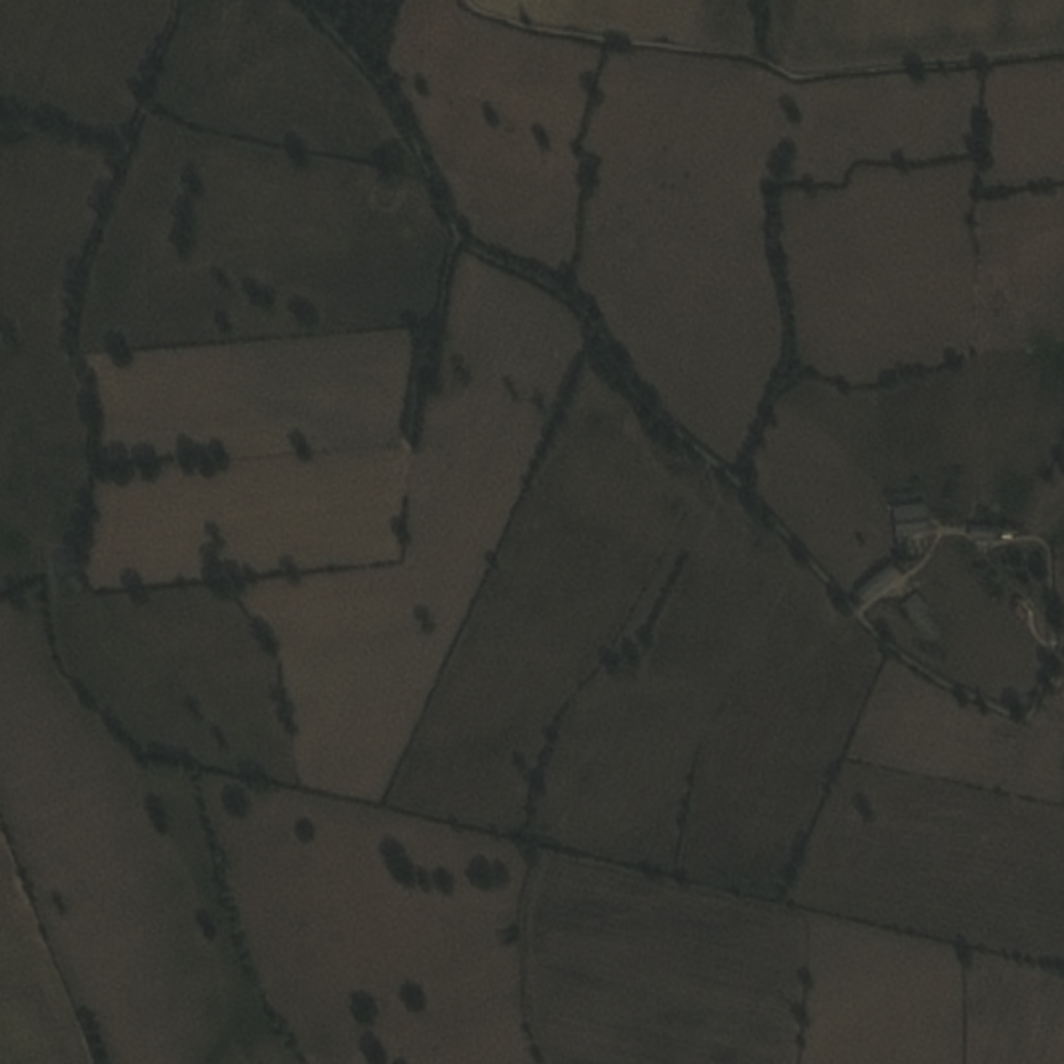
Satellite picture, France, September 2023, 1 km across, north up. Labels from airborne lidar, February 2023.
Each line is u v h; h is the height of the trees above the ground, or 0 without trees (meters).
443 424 0
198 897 0
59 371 0
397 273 0
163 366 0
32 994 0
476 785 0
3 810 0
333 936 0
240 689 0
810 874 0
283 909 0
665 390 0
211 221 0
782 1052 0
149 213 0
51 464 0
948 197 0
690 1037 0
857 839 0
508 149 0
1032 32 0
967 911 0
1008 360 0
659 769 0
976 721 0
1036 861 0
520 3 0
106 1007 0
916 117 0
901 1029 0
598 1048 0
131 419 0
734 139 0
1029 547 0
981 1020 0
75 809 0
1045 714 0
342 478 0
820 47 0
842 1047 0
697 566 0
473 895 0
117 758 0
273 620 0
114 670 0
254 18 0
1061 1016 0
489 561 12
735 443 0
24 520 0
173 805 0
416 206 0
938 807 0
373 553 0
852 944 0
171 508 0
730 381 0
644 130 0
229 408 0
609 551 0
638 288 0
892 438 0
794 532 0
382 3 11
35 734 0
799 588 0
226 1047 0
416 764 0
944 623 0
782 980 0
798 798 0
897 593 0
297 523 0
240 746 0
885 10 0
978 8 0
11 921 0
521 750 0
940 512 0
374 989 0
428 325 11
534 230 0
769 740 0
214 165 0
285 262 0
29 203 0
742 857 0
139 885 0
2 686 0
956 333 0
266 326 0
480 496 0
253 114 0
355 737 0
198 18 0
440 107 0
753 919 0
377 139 0
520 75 0
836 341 0
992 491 0
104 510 0
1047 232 0
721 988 0
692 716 0
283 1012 0
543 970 0
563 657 0
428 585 0
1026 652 0
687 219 0
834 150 0
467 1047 0
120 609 0
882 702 0
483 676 0
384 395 0
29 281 0
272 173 0
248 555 0
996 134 0
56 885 0
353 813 0
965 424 0
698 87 0
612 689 0
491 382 0
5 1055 0
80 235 0
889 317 0
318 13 11
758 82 0
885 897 0
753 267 0
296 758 0
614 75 0
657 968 0
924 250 0
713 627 0
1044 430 0
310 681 0
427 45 0
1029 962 8
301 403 0
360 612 0
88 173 0
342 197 0
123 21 0
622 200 0
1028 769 0
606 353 13
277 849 0
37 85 0
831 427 0
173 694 0
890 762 0
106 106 0
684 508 0
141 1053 0
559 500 0
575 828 0
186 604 0
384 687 0
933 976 0
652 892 0
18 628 0
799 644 0
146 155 0
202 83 0
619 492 0
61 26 0
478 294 0
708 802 0
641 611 0
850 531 0
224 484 0
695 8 0
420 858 0
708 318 0
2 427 0
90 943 0
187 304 0
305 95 0
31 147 0
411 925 0
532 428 0
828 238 0
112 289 0
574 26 0
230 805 17
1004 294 0
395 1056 0
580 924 0
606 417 0
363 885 0
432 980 0
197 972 0
